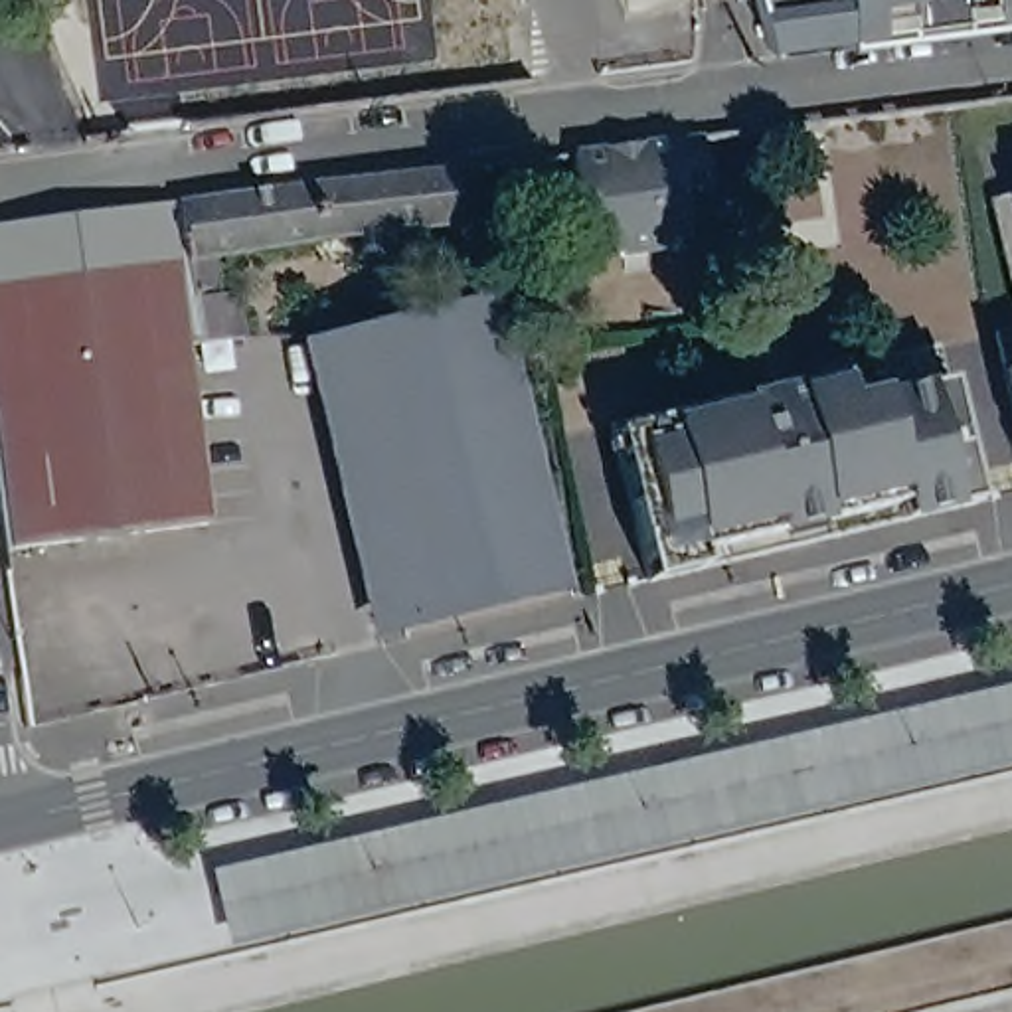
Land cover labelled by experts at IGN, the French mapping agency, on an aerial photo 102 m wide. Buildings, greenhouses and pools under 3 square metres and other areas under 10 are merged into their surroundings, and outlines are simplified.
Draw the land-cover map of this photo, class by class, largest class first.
<instances>
[{"label":"impervious surface","instance_id":"1","mask_svg":"<svg viewBox=\"0 0 1012 1012\"><path fill-rule=\"evenodd\" d=\"M542 20L530 24L526 79L368 95L293 111H249L229 119H174L170 111L186 87H221L281 75L431 59L439 40L431 0H67L63 16L51 24V55L0 47V221L103 206L174 202L186 194L257 186V174H281L296 162L316 178L443 166L459 206L470 190L490 194L498 202V194L526 182V174H573L581 146L633 142L648 134L664 138V166L672 158L716 162V142H727L735 134L759 146L775 130L806 123L921 107L1012 95V32L953 43H929V36H889L866 40L862 51L850 55H838L834 47H810L787 55L779 51V20L763 12V0H534ZM984 194L996 198L1012 194V127L1000 130L992 158V178ZM822 213L795 221L791 237L826 249L838 245V202L834 182L822 174L818 190ZM941 372H972L980 395V431L988 439L992 470H984V490L969 494L976 510L941 514L917 526L870 530L862 538L719 565L676 581H660V553L644 518L636 459L633 451H617L613 439L597 443L593 423L581 435H565L597 573L593 593L577 589L530 593L470 609L463 613V621H423L407 625L403 633L380 636L372 617L360 609L368 605V585L344 502V478L332 447L324 395H308L304 352L296 348L281 344V336H245L202 344L206 372L198 376V403L202 431L213 443L217 459L210 466V530L142 538L134 549L107 546L91 557H63L59 549L24 557L8 549L0 510V1012H261L482 953L605 929L747 889L854 870L897 854L933 850L945 842H969L992 830H1012V771L245 953H233L229 925L213 921L206 866L221 870L233 862H253L439 814L435 802H423V787L407 779L415 771H431L435 751L443 747H451V755L463 759L474 775V806L1012 684V664L1000 672H972L969 648L984 636L1012 633V380L988 387L980 336L972 344L941 348ZM854 660L866 676H874V688H882V696L854 708H830V684ZM719 708H743L747 727L719 739H696V719ZM593 731L605 735L613 755L597 767H561V747ZM304 799H320L336 806L344 818L328 830H293V810H300ZM186 826H202L213 850H206V858L174 862L162 854L154 838L162 830ZM925 1012H1012V988Z\"/></svg>","mask_w":1012,"mask_h":1012},{"label":"building","instance_id":"2","mask_svg":"<svg viewBox=\"0 0 1012 1012\"><path fill-rule=\"evenodd\" d=\"M763 12L779 20V51L787 55L810 47H834L838 55H850L862 51L866 40L889 36H929V43H953L1012 32V0H763ZM664 138L648 134L633 142L581 146L573 174L605 194L601 202L617 217L621 249L648 257L656 253V229L668 206L664 166ZM380 217H407L439 229L451 225V217L463 221L459 206L443 166L316 178L296 162L281 174H257V186L186 194L174 202L103 206L0 221V510L8 549L24 557L59 549L63 557H91L107 546L134 549L142 538L210 530V466L217 459L213 443L202 431L198 403V376L206 372L202 344L245 336V308L253 304L249 293L241 300H229L221 293V257H241L257 249L285 237H336L348 245ZM996 221L1012 269V194L996 198ZM494 300L482 293L451 300L439 312H395L316 332L296 348L304 352L308 395H324L332 447L344 478V502L368 585V605L360 609L372 617L380 636L403 633L407 625L423 621H463V613L470 609L530 593L577 589L565 502L549 466V443L542 431L530 380L526 360L506 356V336L490 332ZM972 316L980 336L988 387L1012 380V296L976 300ZM617 451H633L636 459L644 518L660 553V581H676L719 565L862 538L870 530L917 526L941 514L976 510L969 494L984 490V470H992L988 439L980 431V395L972 372H941L925 380H866L862 368H842L806 380H767L739 395L640 415L629 427H617L613 439ZM1012 771V684L474 806L459 814H439L253 862H233L221 870L206 866L213 921L229 925L233 953H245Z\"/></svg>","mask_w":1012,"mask_h":1012},{"label":"herbaceous vegetation","instance_id":"3","mask_svg":"<svg viewBox=\"0 0 1012 1012\"><path fill-rule=\"evenodd\" d=\"M439 40L431 59L281 75L221 87H186L170 111L174 119H229L249 111H293L368 95L526 79L530 24L542 20L534 0H431ZM929 119V134H913V142L822 154V174L834 182L838 202V245L826 249L838 265L826 300L814 312L799 316L791 332L771 344V352L731 356L716 348L688 376L660 372V360L676 356L680 336L660 332L625 356L593 360L585 368V387L565 383L557 395L565 435H581L593 423L597 443L613 439L617 427H629L640 415L739 395L767 380H806L842 368H862L866 380H925L941 372V348L972 344L980 336L972 316L976 300L969 261V217L953 138H965L969 154L992 158L1000 130L1012 127V95L921 107ZM925 194H933L937 206L949 213V249L929 265H901L878 245V237H886L889 217L901 213L905 202H917ZM874 296L889 304L897 316H905V328L886 356H870L866 348H846L834 340V332L846 328V312H858ZM759 146L735 134L727 142H716V162L672 158L664 166L668 206L656 229V253L648 257L621 249L589 285V296L613 320L676 316L688 300V273H708L731 249L735 233H759L771 249H783V241L791 237L795 221L822 213L818 190L791 198L787 210L775 206L751 182ZM463 221L451 217V225L439 229L407 217H380L348 245L336 237H285L257 249L265 253V265L245 273L249 293L253 304L245 308V336H281V344L296 348L316 332L395 312L391 289L411 245H451L470 265H486L494 253H502L498 202L490 194L470 190L459 206ZM281 273H304L308 285L328 289V304L296 312L289 324H273ZM1012 988V921L941 933L629 1012H925Z\"/></svg>","mask_w":1012,"mask_h":1012},{"label":"water","instance_id":"4","mask_svg":"<svg viewBox=\"0 0 1012 1012\"><path fill-rule=\"evenodd\" d=\"M1012 921V830H992L969 842H945L933 850L897 854L854 870L747 889L605 929L482 953L261 1012H629L941 933Z\"/></svg>","mask_w":1012,"mask_h":1012},{"label":"deciduous trees","instance_id":"5","mask_svg":"<svg viewBox=\"0 0 1012 1012\"><path fill-rule=\"evenodd\" d=\"M822 174V154L806 123L775 130L759 146L751 182L775 206L787 210L791 198L818 190ZM605 194L573 174H526V182L498 194V202L502 253H494L486 265H470L451 245H411L391 289L395 312H439L451 300L482 293L494 300L490 332L506 336V356L526 360L530 380H538V368L549 372L573 360L581 344H589V332L597 324L613 320L589 296V285L621 249L617 217L601 202ZM878 245L901 265H929L949 249V213L937 206L933 194H925L917 202H905L901 213L889 217L886 237H878ZM265 265V253L257 249L241 257H221V293L229 300H241L249 293L245 273ZM328 304V289L308 285L304 273H281L273 324H289L296 312ZM905 328V316H897L889 304L874 296L858 312H846V328L834 332V340L846 348H866L870 356H886ZM719 328L696 320H688L680 336L676 356L660 360V372L688 376L716 348ZM972 672H1000L1012 664V633L984 636L969 648ZM882 696V688H874V676H866L854 660L830 684V708H854ZM747 727L743 708H719L696 719V739H719ZM613 755L605 735L593 731L561 747V767H597ZM423 787V802H435L439 814H459L474 806V775L463 759L451 755V747H443L435 751L431 771H415L407 779ZM344 818L336 806L320 799H304L300 810H293V830H328ZM162 854L174 862L206 858V850H213L202 826H186L162 830L154 838Z\"/></svg>","mask_w":1012,"mask_h":1012},{"label":"coniferous trees","instance_id":"6","mask_svg":"<svg viewBox=\"0 0 1012 1012\"><path fill-rule=\"evenodd\" d=\"M67 0H0V47L51 55V24L63 16ZM838 265L826 249L791 237L783 241V249H771L759 233H735L731 249L708 273H688V300L696 320L719 328L716 348L731 356L771 352V344L791 332L799 316L814 312L826 300Z\"/></svg>","mask_w":1012,"mask_h":1012},{"label":"brushwood","instance_id":"7","mask_svg":"<svg viewBox=\"0 0 1012 1012\"><path fill-rule=\"evenodd\" d=\"M969 217V261L976 300L1012 296V269L996 221V198L984 194L992 178V158L969 154L965 138H953ZM688 320H696L688 300L676 316L613 320L597 324L589 332V344H581L573 360L549 372L538 368V380H530L542 431L549 443V466L565 502L577 589L593 593L597 573L565 435L557 395L565 383L585 387V368L593 360L625 356L660 332L680 336Z\"/></svg>","mask_w":1012,"mask_h":1012},{"label":"pervious surface","instance_id":"8","mask_svg":"<svg viewBox=\"0 0 1012 1012\"><path fill-rule=\"evenodd\" d=\"M822 154L913 142V134H929V119L921 107L806 123Z\"/></svg>","mask_w":1012,"mask_h":1012}]
</instances>
